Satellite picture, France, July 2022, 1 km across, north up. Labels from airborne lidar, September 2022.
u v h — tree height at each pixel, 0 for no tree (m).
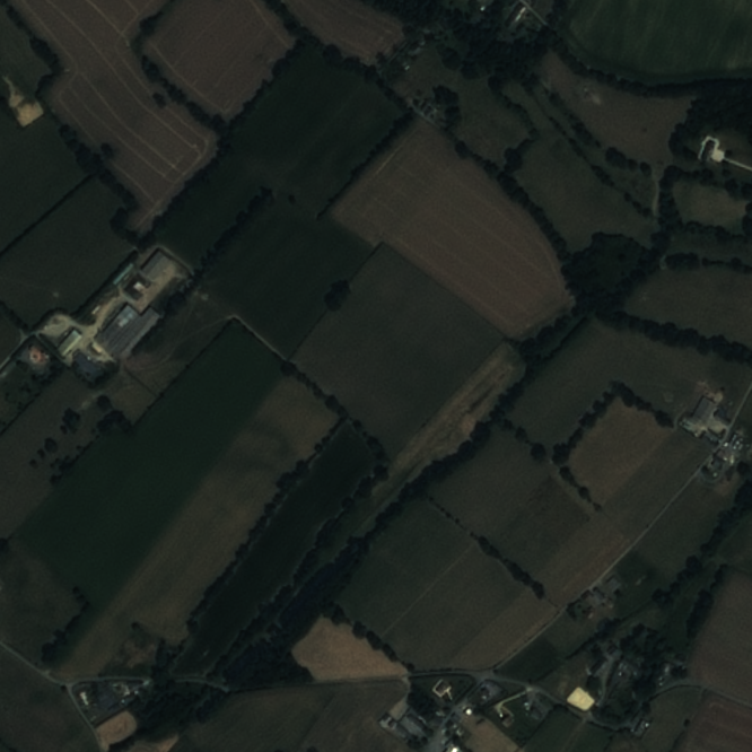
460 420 0
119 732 0
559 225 0
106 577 0
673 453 0
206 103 0
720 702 0
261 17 0
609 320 23
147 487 0
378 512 0
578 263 19
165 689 15
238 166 0
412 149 0
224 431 0
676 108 0
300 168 0
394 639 0
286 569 0
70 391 0
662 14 0
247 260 0
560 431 0
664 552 0
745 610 0
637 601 0
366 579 0
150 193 0
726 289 0
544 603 0
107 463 0
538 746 0
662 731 0
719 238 17
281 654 22
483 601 0
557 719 0
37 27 0
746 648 0
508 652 0
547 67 0
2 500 0
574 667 0
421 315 0
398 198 0
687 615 0
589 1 0
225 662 14
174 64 0
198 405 0
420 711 13
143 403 0
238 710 0
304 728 0
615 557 0
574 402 0
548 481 0
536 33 8
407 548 0
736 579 0
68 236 0
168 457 0
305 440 0
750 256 0
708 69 0
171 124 0
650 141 0
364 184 0
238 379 0
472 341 0
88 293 0
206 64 0
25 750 0
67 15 0
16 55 0
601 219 0
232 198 0
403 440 0
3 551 13
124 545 0
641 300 0
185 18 0
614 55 0
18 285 0
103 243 0
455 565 0
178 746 0
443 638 0
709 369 0
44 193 0
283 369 13
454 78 0
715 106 14
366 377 0
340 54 24
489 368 0
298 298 0
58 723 0
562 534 0
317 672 0
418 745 7
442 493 0
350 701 0
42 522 0
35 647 0
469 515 0
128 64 0
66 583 0
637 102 0
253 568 0
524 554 0
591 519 0
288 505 0
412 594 0
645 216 10
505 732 0
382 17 0
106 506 0
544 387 0
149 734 11
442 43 6
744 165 0
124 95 0
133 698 7
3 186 0
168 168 0
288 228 0
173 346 0
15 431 0
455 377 0
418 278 0
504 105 6
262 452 0
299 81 0
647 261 20
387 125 0
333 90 0
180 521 0
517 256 0
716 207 0
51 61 17
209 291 0
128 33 0
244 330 10
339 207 0
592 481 0
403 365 0
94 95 0
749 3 0
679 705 0
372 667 0
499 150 0
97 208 0
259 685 14
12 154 0
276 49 0
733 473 0
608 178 15
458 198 0
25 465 0
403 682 0
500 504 0
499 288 0
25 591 0
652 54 0
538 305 0
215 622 0
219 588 14
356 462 0
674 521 0
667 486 0
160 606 0
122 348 0
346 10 0
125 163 0
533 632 0
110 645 0
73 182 0
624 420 0
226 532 0
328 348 0
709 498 0
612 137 0
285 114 0
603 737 0
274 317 0
